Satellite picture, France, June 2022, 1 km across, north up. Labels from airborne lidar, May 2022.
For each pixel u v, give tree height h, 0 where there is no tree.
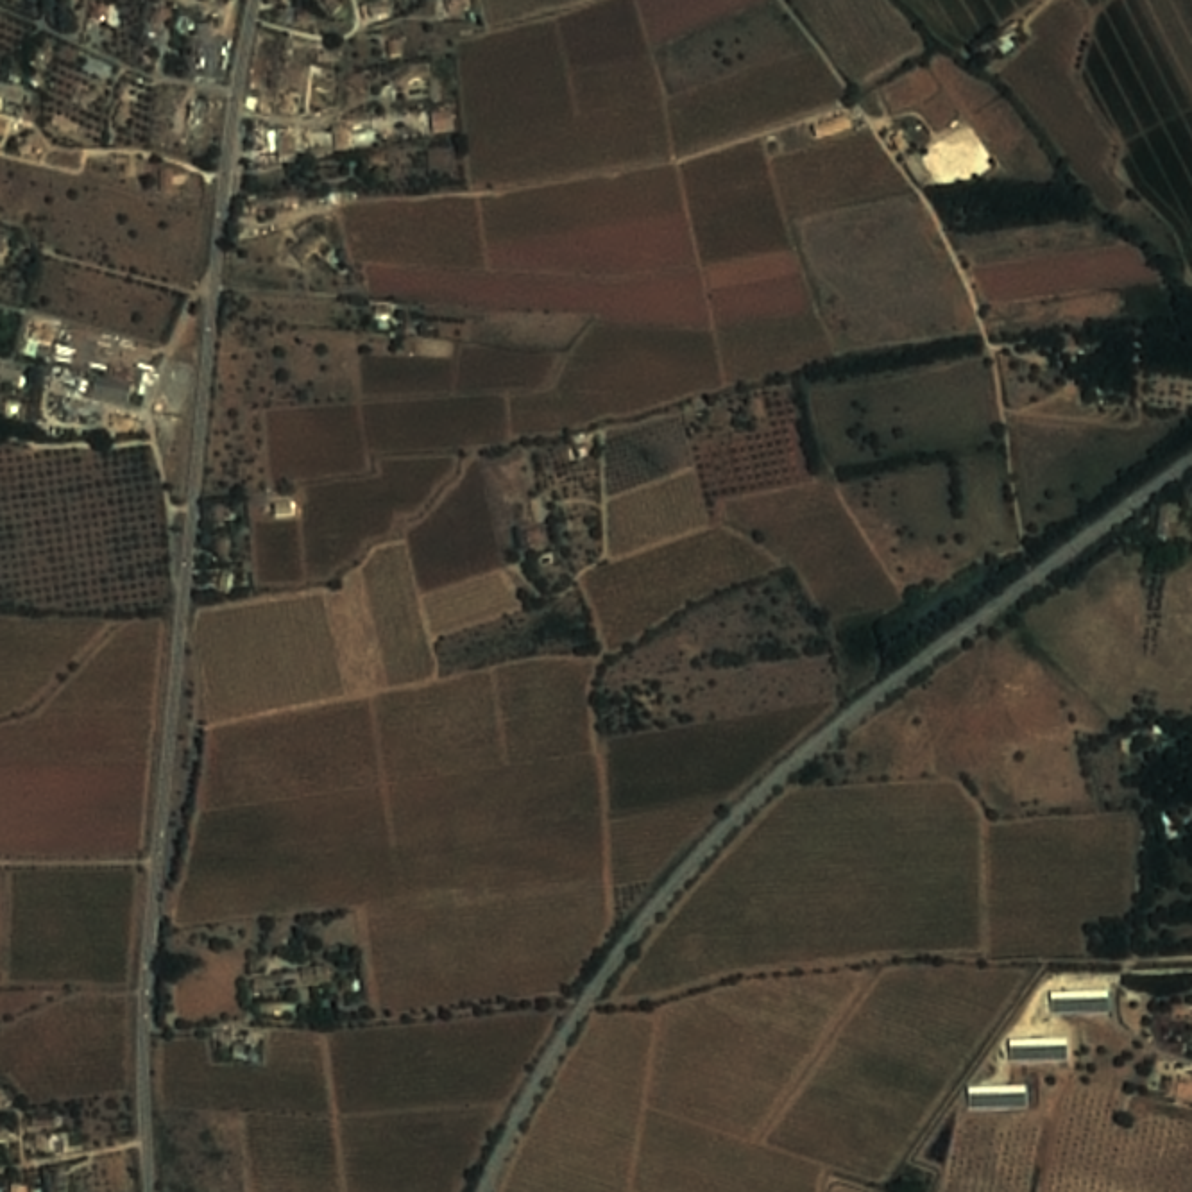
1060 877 0
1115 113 0
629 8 0
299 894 0
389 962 0
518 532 10
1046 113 0
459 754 0
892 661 17
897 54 0
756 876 0
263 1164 0
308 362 0
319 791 0
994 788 0
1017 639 0
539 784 0
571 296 0
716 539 0
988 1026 0
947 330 0
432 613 0
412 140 9
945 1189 0
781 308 0
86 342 0
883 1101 0
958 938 0
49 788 0
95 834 0
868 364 9
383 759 0
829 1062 0
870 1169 0
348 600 0
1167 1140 0
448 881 0
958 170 0
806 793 0
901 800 0
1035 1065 0
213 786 0
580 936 0
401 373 0
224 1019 7
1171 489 13
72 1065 0
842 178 0
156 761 0
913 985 0
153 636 0
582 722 0
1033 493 0
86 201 0
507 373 0
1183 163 0
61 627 0
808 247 0
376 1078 0
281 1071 0
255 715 0
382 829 0
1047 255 0
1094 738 6
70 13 8
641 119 0
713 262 0
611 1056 0
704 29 0
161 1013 14
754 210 0
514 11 0
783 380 11
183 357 0
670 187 0
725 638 0
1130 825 0
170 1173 0
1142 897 10
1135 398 7
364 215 0
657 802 0
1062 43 0
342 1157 0
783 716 0
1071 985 0
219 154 13
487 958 0
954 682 0
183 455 0
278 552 0
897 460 7
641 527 0
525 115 0
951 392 0
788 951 0
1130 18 0
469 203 0
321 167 6
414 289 0
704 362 0
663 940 0
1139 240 15
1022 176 0
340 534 0
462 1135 0
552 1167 0
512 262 0
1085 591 0
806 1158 0
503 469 0
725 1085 0
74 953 0
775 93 0
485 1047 0
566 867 0
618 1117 0
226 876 0
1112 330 12
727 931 0
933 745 0
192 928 0
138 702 0
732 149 0
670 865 0
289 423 0
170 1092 0
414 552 0
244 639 0
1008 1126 0
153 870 0
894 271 0
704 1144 0
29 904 0
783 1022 0
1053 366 7
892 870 0
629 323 0
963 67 8
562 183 0
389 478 0
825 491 0
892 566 0
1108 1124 0
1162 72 0
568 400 0
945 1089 0
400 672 0
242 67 0
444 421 0
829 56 0
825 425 0
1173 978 6
